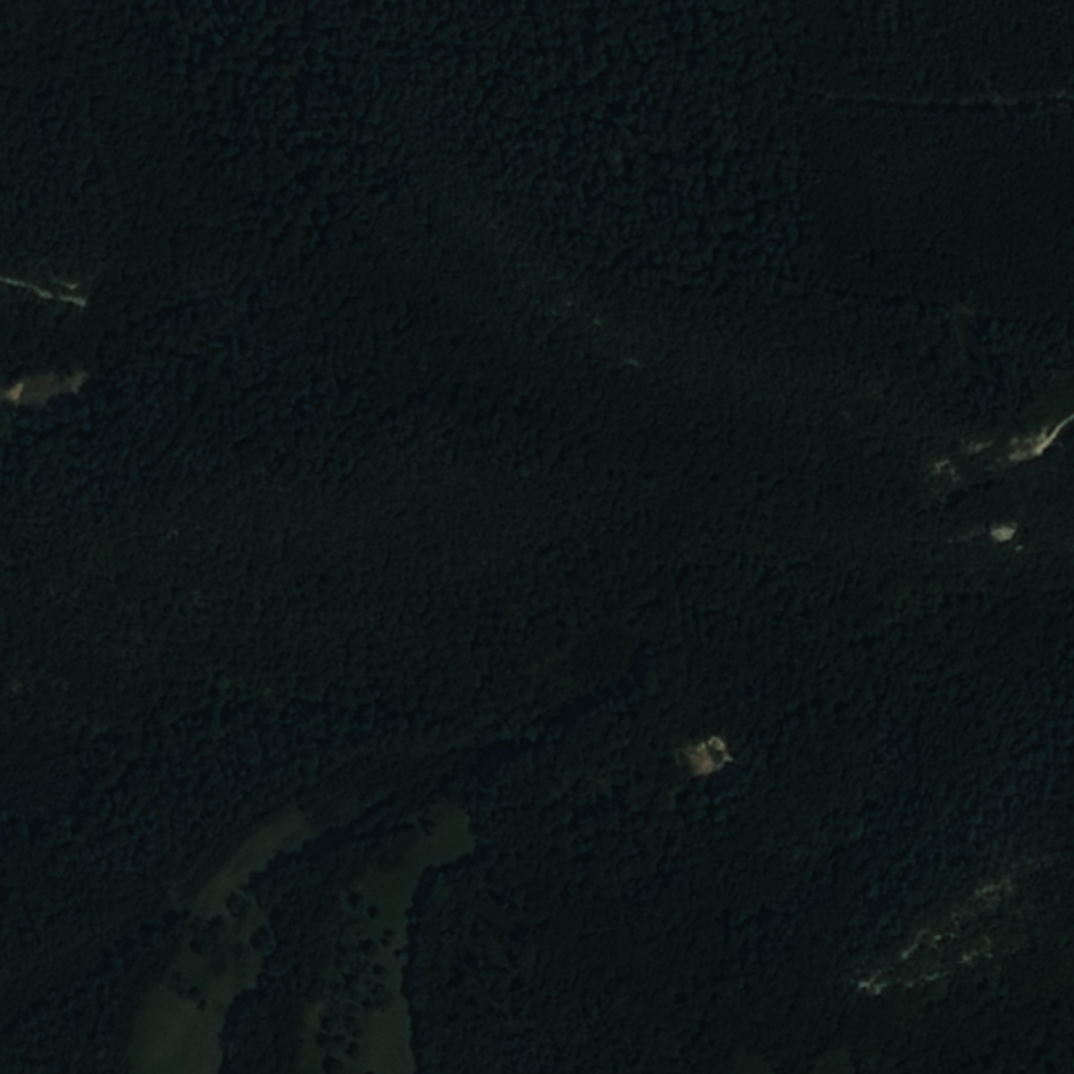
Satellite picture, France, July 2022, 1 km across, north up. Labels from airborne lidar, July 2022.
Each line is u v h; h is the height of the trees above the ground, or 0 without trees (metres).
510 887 29
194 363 22
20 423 32
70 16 22
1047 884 21
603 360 19
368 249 28
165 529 13
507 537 11
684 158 17
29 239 23
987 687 26
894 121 16
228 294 36
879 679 27
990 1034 42
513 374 27
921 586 21
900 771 33
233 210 21
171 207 20
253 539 13
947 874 12
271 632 23
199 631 23
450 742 24
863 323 29
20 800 21
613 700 28
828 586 23
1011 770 21
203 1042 0
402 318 23
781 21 22
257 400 33
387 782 10
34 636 15
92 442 31
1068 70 24
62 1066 16
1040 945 27
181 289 37
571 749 41
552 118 25
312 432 31
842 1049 27
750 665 19
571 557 33
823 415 18
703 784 7
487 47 25
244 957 20
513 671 35
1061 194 17
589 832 32
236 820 15
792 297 24
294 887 24
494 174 16
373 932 0
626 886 36
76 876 25
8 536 24
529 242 13
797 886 27
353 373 30
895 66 15
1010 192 14
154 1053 0
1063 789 26
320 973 18
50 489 32
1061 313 16
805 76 19
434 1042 24
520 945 25
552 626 33
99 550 14
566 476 15
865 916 15
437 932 19
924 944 12
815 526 19
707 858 27
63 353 27
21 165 31
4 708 22
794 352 13
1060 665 33
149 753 28
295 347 29
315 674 33
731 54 26
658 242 23
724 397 20
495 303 19
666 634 22
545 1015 10
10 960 16
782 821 25
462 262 18
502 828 37
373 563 17
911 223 18
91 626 24
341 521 14
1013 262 13
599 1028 17
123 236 22
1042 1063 30
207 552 15
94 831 24
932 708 35
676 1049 32
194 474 25
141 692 21
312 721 34
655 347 11
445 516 17
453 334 26
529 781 29
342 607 26
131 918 9
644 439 26
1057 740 25
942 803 28
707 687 17
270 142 35
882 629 21
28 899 13
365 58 18
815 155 19
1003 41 24
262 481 21
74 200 26
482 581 19
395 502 14
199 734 38
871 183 21
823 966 20
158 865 23
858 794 25
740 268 26
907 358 22
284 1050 26
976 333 7
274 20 28
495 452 22
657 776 28
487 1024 21
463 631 30
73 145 30
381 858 20
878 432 13
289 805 7
